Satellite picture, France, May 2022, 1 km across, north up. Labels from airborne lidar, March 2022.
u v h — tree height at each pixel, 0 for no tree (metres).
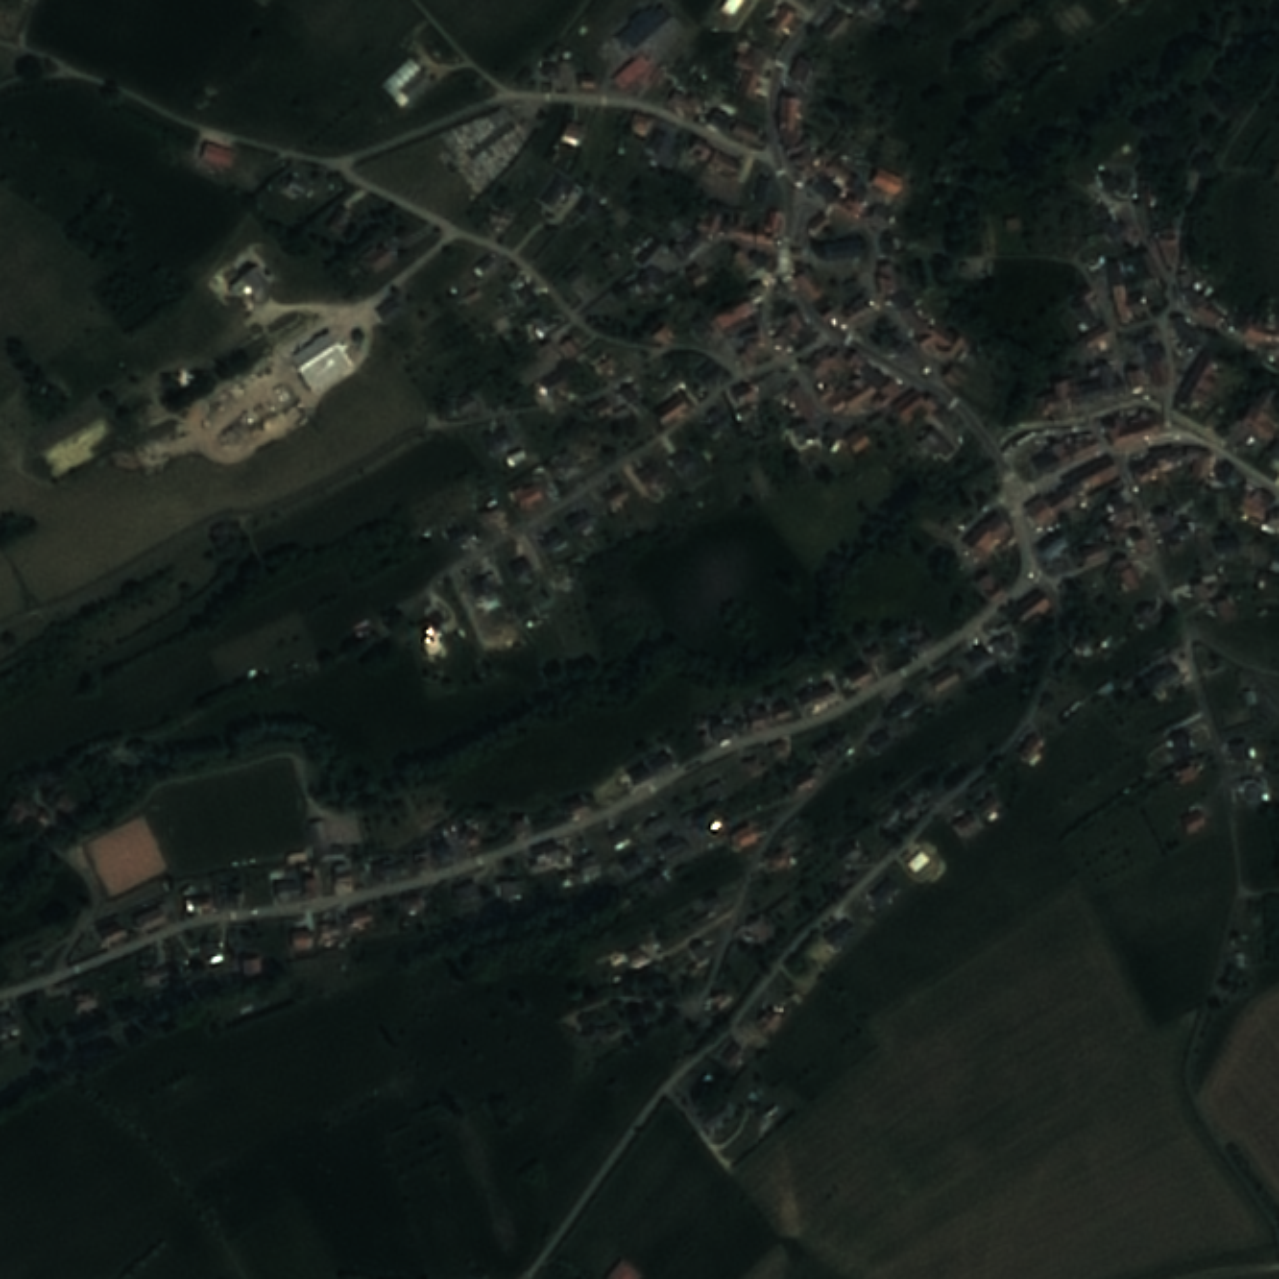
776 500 0
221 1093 0
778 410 0
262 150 0
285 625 0
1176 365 0
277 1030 0
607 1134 0
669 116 0
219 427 0
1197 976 0
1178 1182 0
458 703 0
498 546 0
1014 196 0
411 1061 0
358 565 7
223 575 7
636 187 10
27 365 15
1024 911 0
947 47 0
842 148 0
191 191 0
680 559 0
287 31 0
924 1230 0
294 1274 0
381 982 0
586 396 0
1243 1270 0
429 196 0
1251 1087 0
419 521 0
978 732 0
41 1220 0
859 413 0
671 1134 0
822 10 0
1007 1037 0
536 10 0
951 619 0
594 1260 0
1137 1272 0
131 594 11
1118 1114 0
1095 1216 0
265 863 0
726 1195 0
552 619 0
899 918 0
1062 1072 0
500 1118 8
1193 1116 0
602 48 0
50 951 0
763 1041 0
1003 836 0
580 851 0
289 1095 0
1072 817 0
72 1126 0
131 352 0
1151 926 0
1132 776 0
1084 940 0
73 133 0
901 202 0
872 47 0
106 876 0
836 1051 0
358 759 0
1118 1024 0
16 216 0
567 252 0
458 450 0
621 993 7
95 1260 0
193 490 0
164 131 8
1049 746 0
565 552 0
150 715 0
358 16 0
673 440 0
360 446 0
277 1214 0
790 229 0
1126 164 0
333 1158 0
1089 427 0
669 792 0
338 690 0
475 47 0
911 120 0
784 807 0
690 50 0
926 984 0
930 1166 0
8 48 0
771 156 0
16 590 0
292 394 0
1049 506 0
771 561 0
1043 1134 0
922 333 0
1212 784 0
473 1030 0
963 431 0
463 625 0
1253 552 0
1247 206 0
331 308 0
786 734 0
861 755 0
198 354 0
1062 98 0
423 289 0
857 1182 0
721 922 0
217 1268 0
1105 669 0
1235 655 0
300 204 0
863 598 0
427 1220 0
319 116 0
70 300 0
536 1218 0
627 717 0
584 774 0
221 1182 0
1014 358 14
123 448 0
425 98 0
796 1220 0
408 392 0
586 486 0
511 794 0
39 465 0
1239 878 0
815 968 0
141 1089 0
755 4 0
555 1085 0
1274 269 0
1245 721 0
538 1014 0
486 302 0
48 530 0
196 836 0
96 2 0
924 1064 0
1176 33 0
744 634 8
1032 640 0
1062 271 0
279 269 0
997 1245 0
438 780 18
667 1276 0
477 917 0
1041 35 0
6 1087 0
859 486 0
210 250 0
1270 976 0
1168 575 0
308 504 0
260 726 16
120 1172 0
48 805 7
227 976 0
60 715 0
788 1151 0
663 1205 0
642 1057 0
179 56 0
